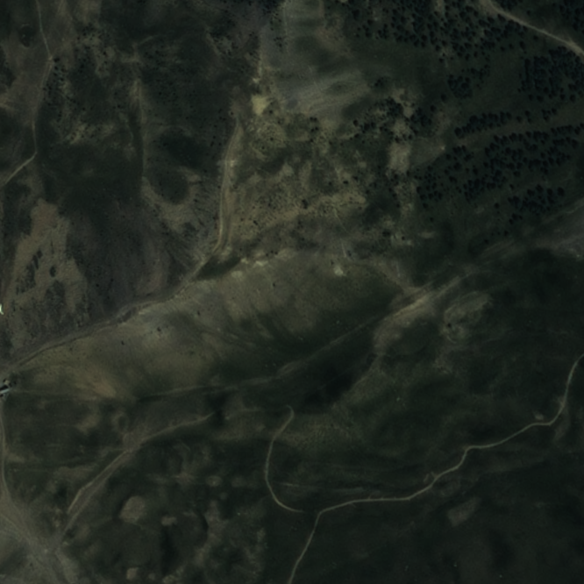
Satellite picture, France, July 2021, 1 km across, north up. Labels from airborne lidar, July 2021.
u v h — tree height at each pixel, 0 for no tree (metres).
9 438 0
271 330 0
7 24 0
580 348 0
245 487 0
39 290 0
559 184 0
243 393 0
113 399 0
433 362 0
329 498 0
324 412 0
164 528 0
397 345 0
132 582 0
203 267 0
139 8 0
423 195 9
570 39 0
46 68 0
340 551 0
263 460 0
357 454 0
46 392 0
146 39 0
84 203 0
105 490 0
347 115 0
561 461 0
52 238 0
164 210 0
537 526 0
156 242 0
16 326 0
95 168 0
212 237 0
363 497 0
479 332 0
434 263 0
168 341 0
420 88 0
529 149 19
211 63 0
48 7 0
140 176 0
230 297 0
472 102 0
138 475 0
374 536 0
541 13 0
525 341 0
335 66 0
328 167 0
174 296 0
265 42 0
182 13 0
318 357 0
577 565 0
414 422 0
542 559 0
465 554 0
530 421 0
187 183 0
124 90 0
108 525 0
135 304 0
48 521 0
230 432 0
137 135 0
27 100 0
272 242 0
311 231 0
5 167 0
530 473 0
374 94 0
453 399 0
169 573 0
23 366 0
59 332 0
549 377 0
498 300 0
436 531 0
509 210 0
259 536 0
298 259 0
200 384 0
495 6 0
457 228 0
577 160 0
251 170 0
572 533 0
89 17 0
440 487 0
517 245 0
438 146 0
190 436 0
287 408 0
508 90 0
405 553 0
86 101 0
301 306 0
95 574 0
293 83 0
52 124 0
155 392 0
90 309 0
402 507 0
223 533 0
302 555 0
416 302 0
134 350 0
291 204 0
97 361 0
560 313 0
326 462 0
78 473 0
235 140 0
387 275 0
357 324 0
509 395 0
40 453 0
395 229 0
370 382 0
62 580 0
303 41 0
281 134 0
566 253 0
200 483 0
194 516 0
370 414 0
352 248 0
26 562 0
